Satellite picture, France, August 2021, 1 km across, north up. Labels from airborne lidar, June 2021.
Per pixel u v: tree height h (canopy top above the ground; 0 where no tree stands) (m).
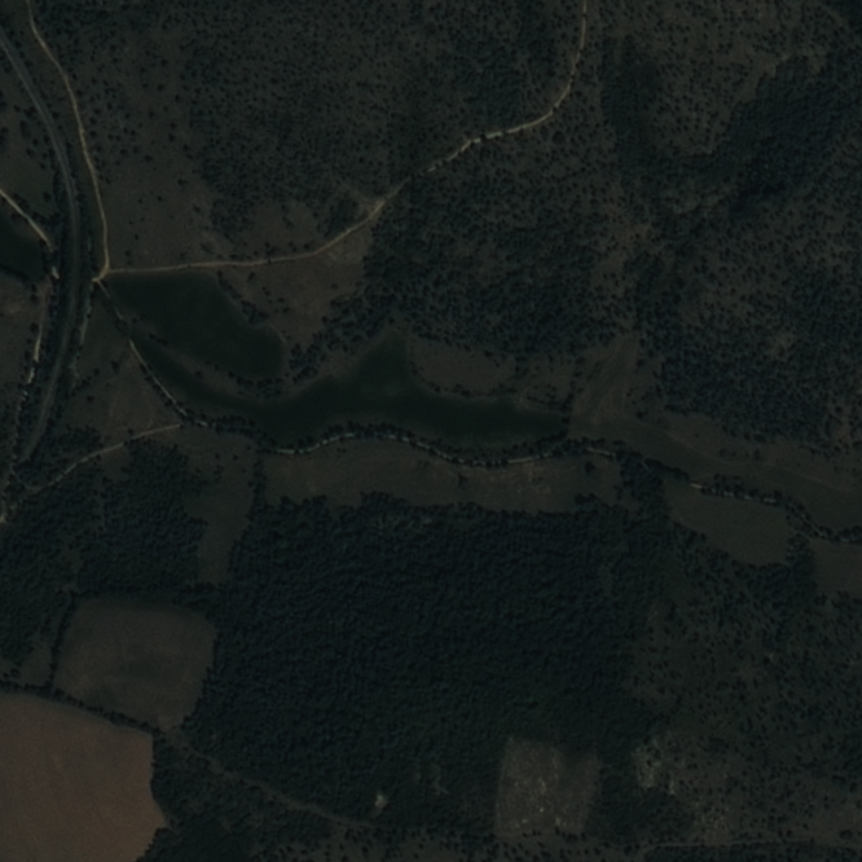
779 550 0
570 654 9
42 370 12
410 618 10
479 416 0
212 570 0
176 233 0
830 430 12
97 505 7
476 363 0
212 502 0
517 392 7
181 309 0
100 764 0
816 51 10
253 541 8
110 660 0
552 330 12
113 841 0
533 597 10
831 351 10
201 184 0
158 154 0
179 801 10
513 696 8
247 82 9
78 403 0
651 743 8
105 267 0
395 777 7
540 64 9
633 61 12
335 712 10
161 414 0
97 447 7
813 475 0
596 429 0
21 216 5
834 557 0
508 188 8
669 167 8
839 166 10
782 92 12
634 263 7
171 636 0
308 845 7
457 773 6
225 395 0
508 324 10
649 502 9
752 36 8
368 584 13
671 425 0
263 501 10
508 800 0
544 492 0
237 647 8
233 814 6
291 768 11
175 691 0
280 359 0
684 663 0
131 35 0
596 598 8
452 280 12
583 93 7
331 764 10
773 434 12
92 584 7
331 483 0
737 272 10
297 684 14
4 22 7
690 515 0
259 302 0
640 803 7
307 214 0
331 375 0
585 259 9
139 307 0
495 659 12
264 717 12
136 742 0
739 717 12
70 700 7
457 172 8
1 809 0
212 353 0
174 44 0
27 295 0
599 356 0
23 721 0
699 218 12
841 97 9
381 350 0
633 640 9
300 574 10
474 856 10
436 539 8
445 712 7
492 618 8
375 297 11
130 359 0
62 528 6
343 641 11
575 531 11
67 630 10
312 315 0
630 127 15
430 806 9
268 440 14
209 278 0
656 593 7
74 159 9
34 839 0
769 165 11
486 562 11
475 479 0
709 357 10
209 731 8
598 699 10
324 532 8
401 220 7
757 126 14
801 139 13
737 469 0
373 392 0
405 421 0
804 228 7
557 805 0
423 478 0
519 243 8
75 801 0
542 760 0
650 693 0
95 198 0
